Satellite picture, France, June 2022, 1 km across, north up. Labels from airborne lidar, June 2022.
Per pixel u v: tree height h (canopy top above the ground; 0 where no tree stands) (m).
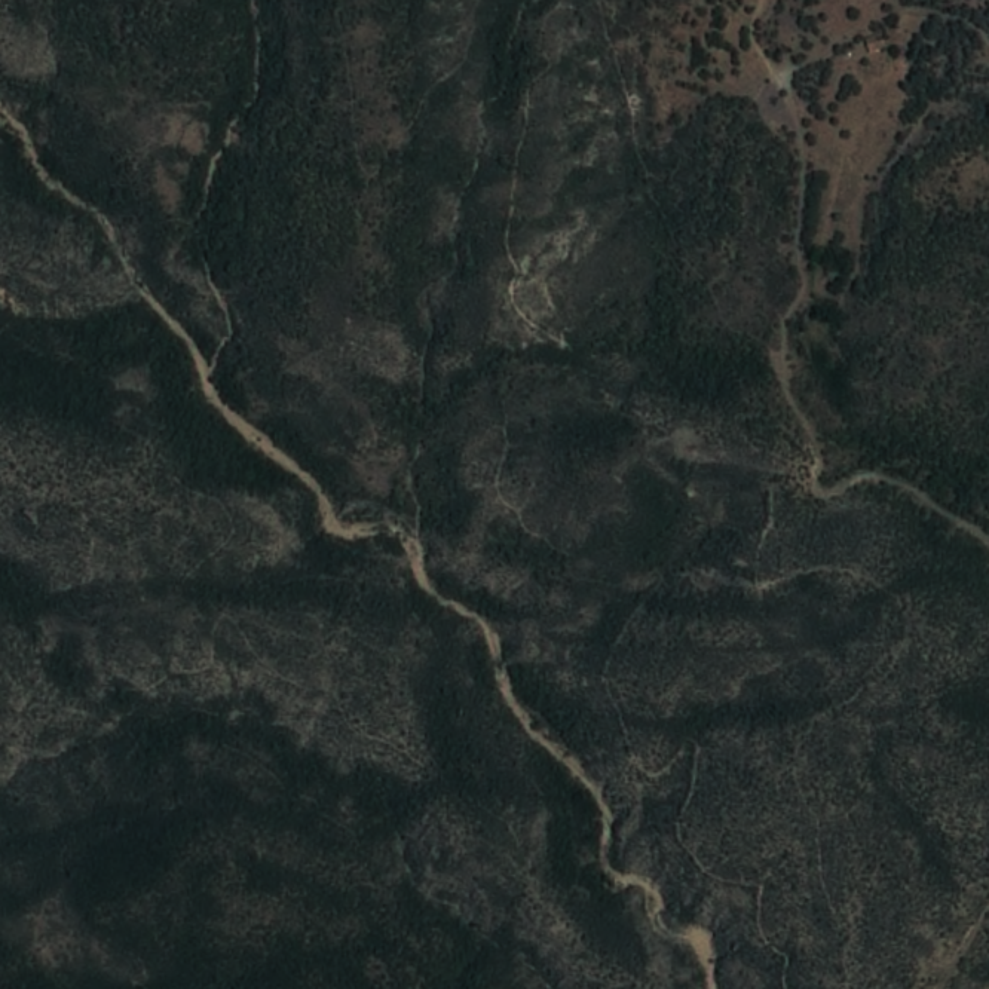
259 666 0
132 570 0
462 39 0
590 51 0
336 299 0
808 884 0
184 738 8
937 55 15
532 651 0
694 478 0
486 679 10
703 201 7
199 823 9
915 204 8
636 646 6
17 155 7
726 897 0
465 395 6
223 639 0
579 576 0
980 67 7
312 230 5
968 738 6
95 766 0
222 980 12
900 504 7
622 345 7
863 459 7
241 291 0
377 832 6
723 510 0
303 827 7
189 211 7
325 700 0
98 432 7
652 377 6
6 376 8
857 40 8
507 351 6
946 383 7
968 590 6
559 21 0
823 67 8
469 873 0
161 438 6
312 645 0
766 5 0
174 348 7
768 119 0
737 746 0
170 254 0
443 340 9
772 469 0
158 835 6
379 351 0
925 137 0
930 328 6
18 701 0
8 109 0
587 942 9
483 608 8
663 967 0
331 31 6
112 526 0
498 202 0
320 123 7
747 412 7
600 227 0
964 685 7
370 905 6
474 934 7
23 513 9
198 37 7
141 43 7
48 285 0
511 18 6
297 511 6
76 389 6
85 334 8
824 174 12
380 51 5
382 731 0
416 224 10
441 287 0
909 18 0
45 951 0
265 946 6
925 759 0
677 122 9
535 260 0
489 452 0
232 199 10
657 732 6
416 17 8
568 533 0
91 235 9
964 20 14
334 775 6
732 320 0
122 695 8
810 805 7
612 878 14
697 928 0
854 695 6
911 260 8
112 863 6
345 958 8
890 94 0
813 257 16
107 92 0
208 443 8
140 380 0
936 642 0
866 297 7
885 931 6
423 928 7
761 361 8
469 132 0
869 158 0
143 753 7
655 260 6
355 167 7
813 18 9
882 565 5
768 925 0
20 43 0
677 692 0
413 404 7
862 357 6
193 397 7
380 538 6
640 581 0
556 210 0
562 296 0
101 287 0
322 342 0
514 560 6
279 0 7
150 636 0
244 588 6
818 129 0
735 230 5
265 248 6
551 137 0
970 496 15
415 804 8
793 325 10
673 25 0
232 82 10
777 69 0
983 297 9
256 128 7
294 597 7
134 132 0
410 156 6
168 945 6
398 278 7
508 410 0
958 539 7
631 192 7
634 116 0
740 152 7
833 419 0
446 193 0
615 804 9
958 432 6
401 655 0
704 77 8
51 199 8
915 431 7
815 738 7
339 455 0
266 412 0
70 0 6
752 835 0
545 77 0
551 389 0
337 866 5
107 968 0
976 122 6
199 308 0
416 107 8
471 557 0
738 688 0
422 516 8
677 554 0
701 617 7
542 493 0
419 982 6
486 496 0
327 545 5
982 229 6
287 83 7
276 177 9
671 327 6
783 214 7
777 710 7
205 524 0
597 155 0
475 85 0
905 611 6
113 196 11
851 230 0
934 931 0
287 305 6
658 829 6
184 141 0
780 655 0
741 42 7
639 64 0
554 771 10
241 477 9
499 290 0
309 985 6
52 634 0
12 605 6
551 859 6
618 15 0
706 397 8
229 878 7
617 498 0
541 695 8
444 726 7
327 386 0
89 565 0
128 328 7
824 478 7
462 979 9
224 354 10
